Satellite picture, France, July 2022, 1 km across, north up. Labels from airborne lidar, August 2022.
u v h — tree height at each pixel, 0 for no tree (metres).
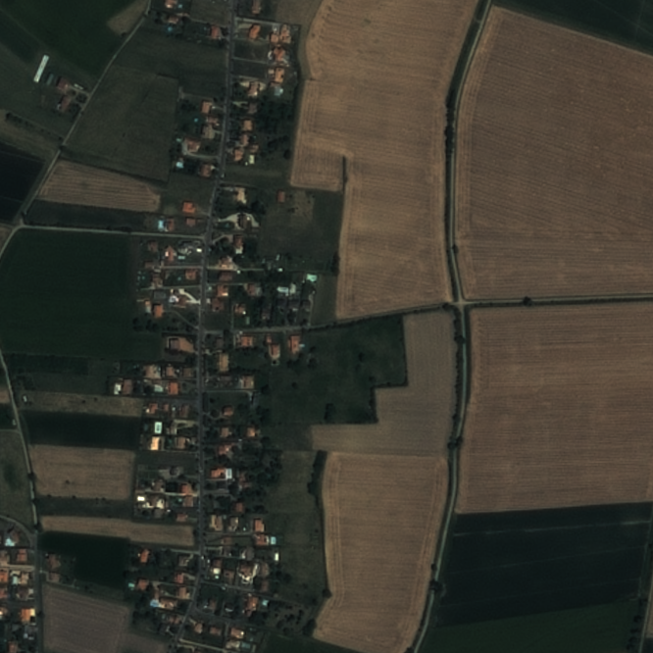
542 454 0
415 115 0
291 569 0
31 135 0
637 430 0
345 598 0
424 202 0
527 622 0
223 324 0
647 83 0
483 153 0
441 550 0
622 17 0
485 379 0
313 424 0
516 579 0
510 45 0
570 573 0
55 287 0
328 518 0
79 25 0
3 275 0
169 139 0
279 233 0
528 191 0
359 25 0
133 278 0
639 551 0
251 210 6
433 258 0
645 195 0
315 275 0
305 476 0
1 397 0
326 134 0
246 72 0
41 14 0
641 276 0
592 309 0
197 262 0
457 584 0
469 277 0
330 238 0
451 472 6
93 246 0
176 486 11
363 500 0
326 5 0
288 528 0
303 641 0
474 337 0
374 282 0
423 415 0
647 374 0
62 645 0
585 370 0
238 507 0
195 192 0
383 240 0
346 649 0
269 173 0
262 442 7
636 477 0
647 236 0
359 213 0
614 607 0
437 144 0
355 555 0
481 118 0
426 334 0
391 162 0
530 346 0
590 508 0
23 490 0
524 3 0
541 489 0
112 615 0
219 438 9
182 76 0
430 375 0
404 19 0
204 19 0
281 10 0
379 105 0
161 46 0
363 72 0
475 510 0
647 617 0
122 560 0
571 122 0
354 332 0
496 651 0
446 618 0
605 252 0
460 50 0
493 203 0
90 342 0
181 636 0
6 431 0
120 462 0
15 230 0
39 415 0
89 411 0
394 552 0
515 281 0
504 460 0
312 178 0
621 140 0
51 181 0
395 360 0
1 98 0
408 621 0
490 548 0
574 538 0
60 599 0
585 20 0
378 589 0
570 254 0
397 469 0
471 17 0
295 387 10
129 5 0
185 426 0
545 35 0
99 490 0
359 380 0
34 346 0
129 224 0
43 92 0
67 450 0
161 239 0
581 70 0
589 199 0
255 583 8
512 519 0
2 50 0
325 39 0
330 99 0
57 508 0
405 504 0
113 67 0
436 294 0
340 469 0
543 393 0
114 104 0
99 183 0
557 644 0
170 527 0
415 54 0
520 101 0
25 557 0
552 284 0
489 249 0
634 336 0
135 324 11
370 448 0
